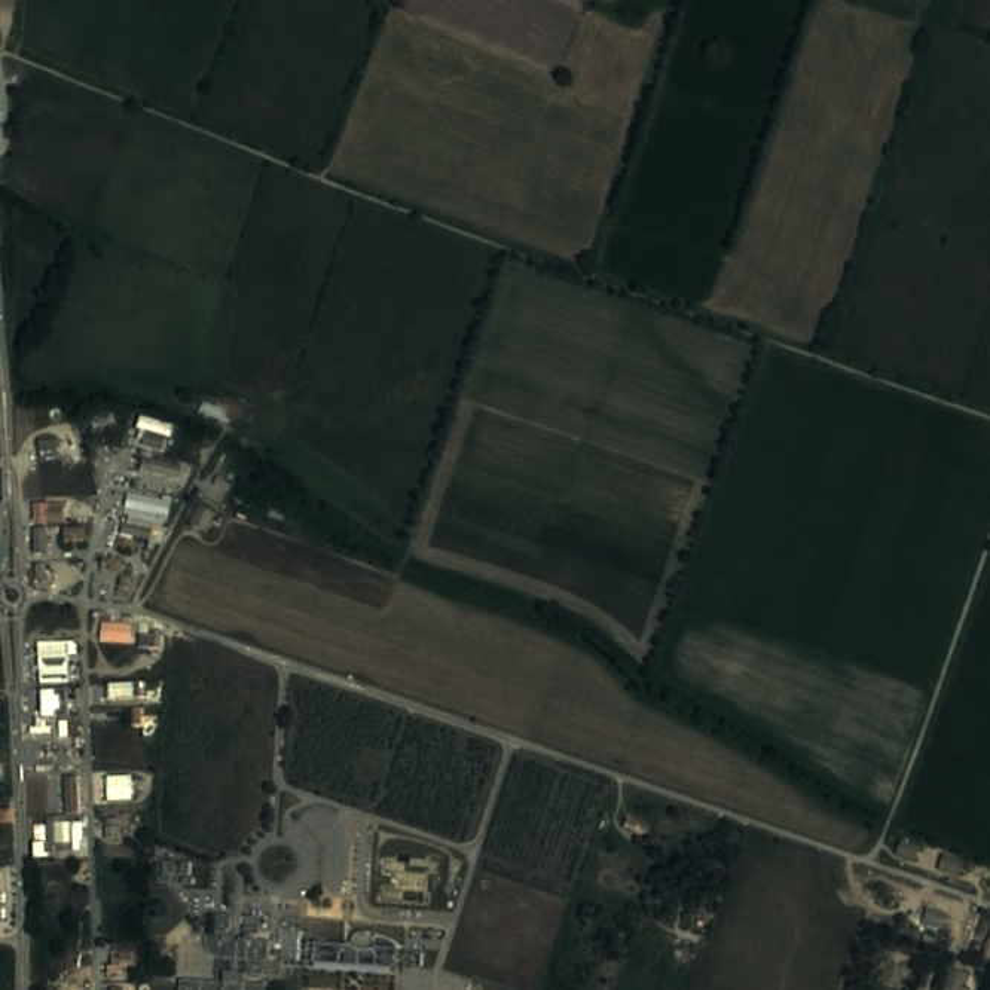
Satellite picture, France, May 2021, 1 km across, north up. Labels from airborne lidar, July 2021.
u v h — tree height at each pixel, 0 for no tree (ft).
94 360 0
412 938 0
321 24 0
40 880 46
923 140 0
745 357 0
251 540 0
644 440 0
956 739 0
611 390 0
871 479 0
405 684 0
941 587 0
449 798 24
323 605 0
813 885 0
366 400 0
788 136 0
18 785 0
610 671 0
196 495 30
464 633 0
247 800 0
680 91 0
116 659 0
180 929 0
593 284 66
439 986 0
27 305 0
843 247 0
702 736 0
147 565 0
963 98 0
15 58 0
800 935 0
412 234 0
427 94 0
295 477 31
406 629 0
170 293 0
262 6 0
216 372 0
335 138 26
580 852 24
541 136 0
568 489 0
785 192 0
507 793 20
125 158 0
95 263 0
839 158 0
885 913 0
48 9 0
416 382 0
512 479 0
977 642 0
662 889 64
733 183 0
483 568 0
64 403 37
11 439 0
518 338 0
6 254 32
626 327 0
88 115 0
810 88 0
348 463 0
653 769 0
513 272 0
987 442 0
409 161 0
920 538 0
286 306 0
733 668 0
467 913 0
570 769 21
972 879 0
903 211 0
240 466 0
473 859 0
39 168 0
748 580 0
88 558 0
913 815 0
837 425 0
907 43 0
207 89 42
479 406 0
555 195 0
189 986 0
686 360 0
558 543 0
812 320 0
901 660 0
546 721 0
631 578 0
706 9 0
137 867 23
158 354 0
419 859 0
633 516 0
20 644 0
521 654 0
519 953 0
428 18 0
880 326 0
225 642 0
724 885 49
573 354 0
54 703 0
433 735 21
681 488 0
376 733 19
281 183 0
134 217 0
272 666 0
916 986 21
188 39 0
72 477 0
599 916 33
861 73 0
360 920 0
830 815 0
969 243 0
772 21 0
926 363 0
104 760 0
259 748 0
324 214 0
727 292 0
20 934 0
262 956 0
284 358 0
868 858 0
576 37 0
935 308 0
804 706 0
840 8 0
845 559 0
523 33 0
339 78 0
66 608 21
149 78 0
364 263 0
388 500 0
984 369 0
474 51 0
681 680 0
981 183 0
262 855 0
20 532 0
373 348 0
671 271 0
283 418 0
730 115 0
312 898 23
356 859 0
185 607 0
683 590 62
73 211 0
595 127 0
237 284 0
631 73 0
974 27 22
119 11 0
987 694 0
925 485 0
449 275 0
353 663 0
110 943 30
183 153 0
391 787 22
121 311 0
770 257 0
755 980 0
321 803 0
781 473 0
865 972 23
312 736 25
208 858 46
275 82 0
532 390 0
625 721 0
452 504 0
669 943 0
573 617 68
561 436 0
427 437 0
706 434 0
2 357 0
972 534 0
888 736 0
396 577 0
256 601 0
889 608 0
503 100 0
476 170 0
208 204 0
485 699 0
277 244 0
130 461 0
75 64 0
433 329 0
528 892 0
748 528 0
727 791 0
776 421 0
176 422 29
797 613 0
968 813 0
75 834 0
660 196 0
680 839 0
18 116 52
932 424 0
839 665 0
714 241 0
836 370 0
